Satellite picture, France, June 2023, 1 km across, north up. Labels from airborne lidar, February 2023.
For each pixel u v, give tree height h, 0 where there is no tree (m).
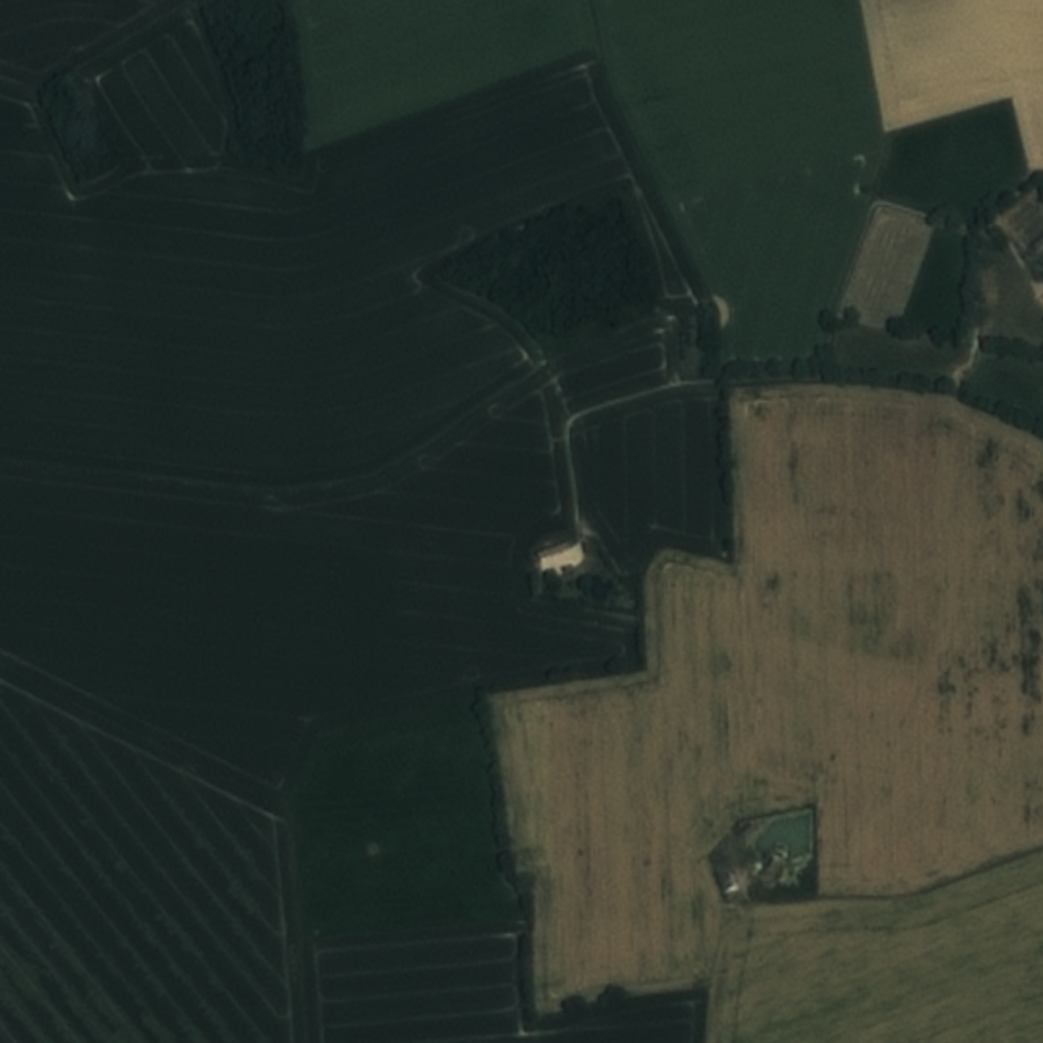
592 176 0
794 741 0
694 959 0
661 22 0
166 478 0
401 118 0
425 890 0
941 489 0
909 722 0
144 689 0
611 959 0
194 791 0
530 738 0
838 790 0
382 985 0
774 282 0
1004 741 0
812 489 0
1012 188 0
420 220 0
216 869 0
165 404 0
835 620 0
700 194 0
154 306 0
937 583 0
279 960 0
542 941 0
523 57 0
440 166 0
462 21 0
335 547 0
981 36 0
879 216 0
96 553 0
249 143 17
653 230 0
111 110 0
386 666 0
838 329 18
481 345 0
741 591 0
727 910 0
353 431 0
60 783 0
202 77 0
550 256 18
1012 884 0
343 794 0
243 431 0
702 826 0
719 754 0
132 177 0
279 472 0
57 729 0
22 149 0
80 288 0
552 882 0
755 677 0
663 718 0
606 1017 0
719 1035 0
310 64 0
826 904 0
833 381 19
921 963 0
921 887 0
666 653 0
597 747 0
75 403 0
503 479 0
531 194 0
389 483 0
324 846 0
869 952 0
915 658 0
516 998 0
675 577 0
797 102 0
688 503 0
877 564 0
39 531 0
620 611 9
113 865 0
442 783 0
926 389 19
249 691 0
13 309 0
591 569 0
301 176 13
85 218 0
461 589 0
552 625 0
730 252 0
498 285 14
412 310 0
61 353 0
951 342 18
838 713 0
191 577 0
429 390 0
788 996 0
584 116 0
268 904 0
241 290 0
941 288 0
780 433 0
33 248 0
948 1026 0
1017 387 0
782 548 0
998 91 0
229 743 0
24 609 0
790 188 0
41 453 0
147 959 0
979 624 0
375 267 0
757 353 0
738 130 0
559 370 0
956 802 0
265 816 0
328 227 0
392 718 0
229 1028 0
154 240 0
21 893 0
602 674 0
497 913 0
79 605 0
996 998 0
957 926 0
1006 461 0
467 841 0
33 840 0
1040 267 0
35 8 0
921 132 0
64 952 0
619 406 0
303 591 0
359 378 0
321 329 0
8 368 0
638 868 0
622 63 0
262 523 0
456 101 0
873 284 0
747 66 0
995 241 13
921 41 0
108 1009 0
